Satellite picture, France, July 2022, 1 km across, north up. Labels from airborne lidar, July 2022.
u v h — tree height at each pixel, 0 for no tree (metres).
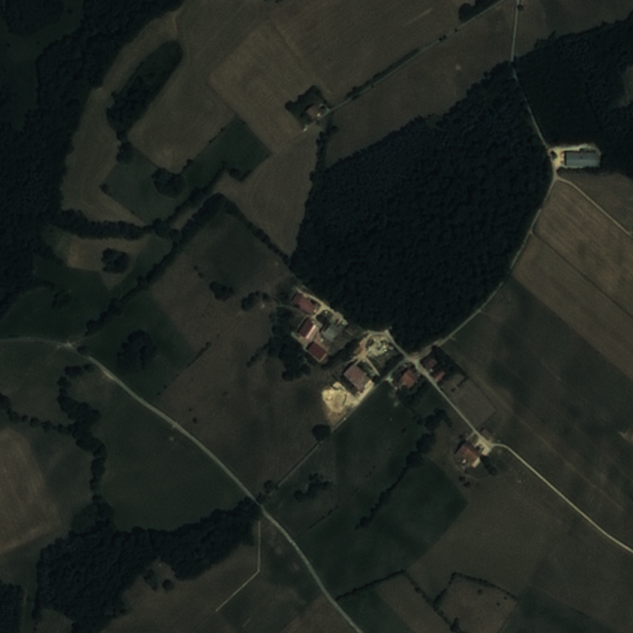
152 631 0
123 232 26
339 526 0
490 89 19
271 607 0
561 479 0
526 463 0
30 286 22
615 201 0
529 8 0
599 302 0
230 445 0
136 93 22
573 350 0
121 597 14
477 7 7
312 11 0
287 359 17
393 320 14
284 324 21
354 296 19
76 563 25
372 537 0
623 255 0
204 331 0
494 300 0
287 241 0
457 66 0
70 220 24
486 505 0
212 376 0
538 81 9
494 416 0
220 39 0
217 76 0
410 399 8
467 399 0
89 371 19
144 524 0
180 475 0
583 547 0
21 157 16
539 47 7
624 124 17
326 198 18
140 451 0
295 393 0
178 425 0
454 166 28
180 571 16
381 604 0
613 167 11
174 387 0
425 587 0
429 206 25
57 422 0
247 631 0
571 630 0
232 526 26
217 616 0
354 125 0
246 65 0
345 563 0
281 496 0
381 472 0
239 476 0
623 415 0
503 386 0
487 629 0
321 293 23
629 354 0
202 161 0
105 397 0
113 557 14
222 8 0
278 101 0
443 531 0
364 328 20
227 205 20
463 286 26
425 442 18
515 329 0
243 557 0
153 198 0
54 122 23
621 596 0
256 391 0
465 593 0
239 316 0
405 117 0
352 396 0
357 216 18
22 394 0
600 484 0
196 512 0
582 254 0
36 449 0
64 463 0
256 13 0
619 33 10
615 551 0
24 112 0
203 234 0
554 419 0
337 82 0
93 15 20
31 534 0
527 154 24
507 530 0
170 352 0
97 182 0
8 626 24
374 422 0
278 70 0
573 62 20
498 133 25
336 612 0
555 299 0
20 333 0
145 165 0
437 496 0
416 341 14
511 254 16
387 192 18
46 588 21
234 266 0
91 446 25
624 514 0
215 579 0
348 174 21
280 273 0
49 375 0
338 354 9
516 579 0
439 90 0
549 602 0
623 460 0
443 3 0
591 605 0
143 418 0
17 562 0
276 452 0
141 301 0
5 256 17
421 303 21
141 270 0
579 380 0
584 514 0
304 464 0
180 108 0
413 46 0
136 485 0
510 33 0
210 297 0
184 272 0
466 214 22
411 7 0
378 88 0
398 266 18
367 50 0
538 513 0
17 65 0
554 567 0
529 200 25
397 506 0
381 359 0
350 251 13
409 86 0
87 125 0
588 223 0
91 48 24
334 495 0
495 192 22
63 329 0
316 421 0
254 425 0
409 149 22
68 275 0
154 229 16
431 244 19
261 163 0
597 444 0
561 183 0
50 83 25
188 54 0
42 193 28
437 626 0
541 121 15
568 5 0
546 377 0
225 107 0
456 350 0
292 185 0
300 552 0
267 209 0
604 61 16
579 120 13
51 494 0
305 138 0
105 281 0
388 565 0
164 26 0
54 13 18
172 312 0
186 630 0
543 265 0
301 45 0
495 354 0
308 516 0
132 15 22
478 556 0
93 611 17
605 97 26
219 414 0
